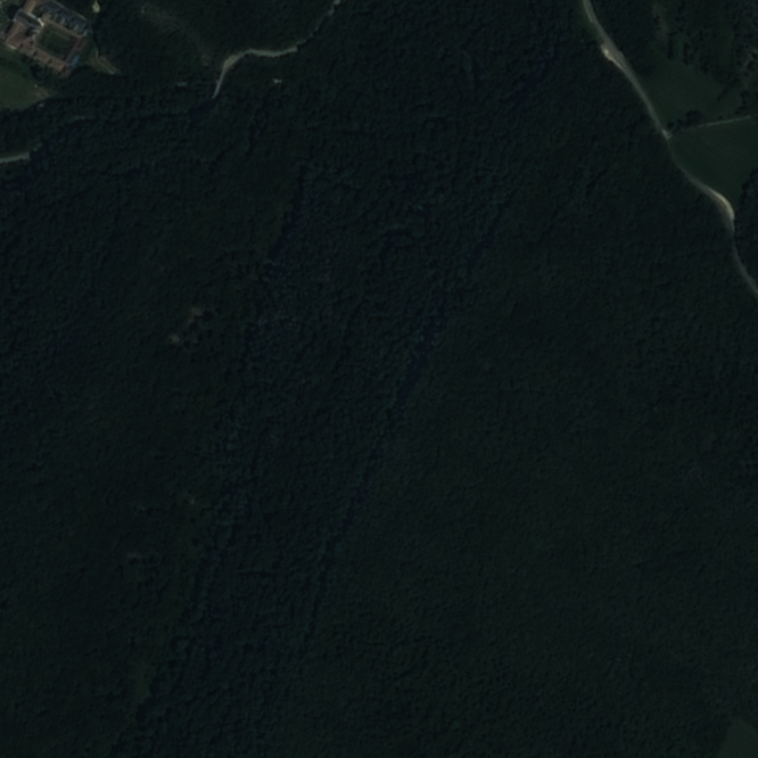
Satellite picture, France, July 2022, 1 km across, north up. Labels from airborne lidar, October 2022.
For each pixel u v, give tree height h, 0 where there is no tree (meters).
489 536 19
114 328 17
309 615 19
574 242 22
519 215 15
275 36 6
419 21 35
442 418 16
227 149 31
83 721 23
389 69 30
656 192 20
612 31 12
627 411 25
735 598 13
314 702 14
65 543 16
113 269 22
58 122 17
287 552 23
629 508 15
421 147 33
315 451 27
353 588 14
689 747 9
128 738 22
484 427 13
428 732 20
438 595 17
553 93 14
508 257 13
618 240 22
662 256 22
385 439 9
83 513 25
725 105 0
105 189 22
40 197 22
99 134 20
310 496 24
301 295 24
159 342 19
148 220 20
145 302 11
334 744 20
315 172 36
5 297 24
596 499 13
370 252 25
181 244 17
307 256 35
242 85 17
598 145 22
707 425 19
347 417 27
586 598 11
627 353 21
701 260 21
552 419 18
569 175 16
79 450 14
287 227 12
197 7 16
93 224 17
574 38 14
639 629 10
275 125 22
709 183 0
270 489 21
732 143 0
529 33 20
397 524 14
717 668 14
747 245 23
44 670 19
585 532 15
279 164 22
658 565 19
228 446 23
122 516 27
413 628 15
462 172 33
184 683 22
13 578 11
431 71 29
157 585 26
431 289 22
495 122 23
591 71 27
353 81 21
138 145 27
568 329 25
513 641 15
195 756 30
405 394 13
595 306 20
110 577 29
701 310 19
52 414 27
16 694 17
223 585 28
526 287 16
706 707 16
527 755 14
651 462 19
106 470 22
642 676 10
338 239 31
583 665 13
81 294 15
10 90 0
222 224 19
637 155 28
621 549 16
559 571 10
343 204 30
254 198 13
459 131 31
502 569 13
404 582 16
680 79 0
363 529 12
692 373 17
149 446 21
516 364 19
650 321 15
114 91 26
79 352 24
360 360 24
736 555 18
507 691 8
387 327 23
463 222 27
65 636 19
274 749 9
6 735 21
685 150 0
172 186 34
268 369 31
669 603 13
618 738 18
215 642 22
